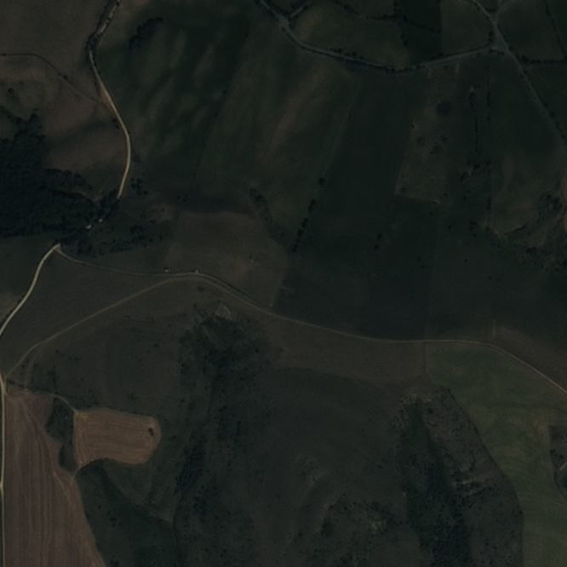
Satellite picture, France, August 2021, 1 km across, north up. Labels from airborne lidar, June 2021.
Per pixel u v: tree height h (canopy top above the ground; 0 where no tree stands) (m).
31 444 0
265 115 0
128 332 0
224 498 0
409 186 0
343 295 0
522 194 0
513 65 0
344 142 0
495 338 0
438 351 0
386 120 0
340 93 0
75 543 0
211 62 0
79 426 0
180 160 0
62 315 0
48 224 0
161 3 0
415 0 0
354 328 0
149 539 0
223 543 0
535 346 0
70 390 0
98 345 0
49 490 0
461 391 0
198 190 0
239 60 0
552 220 0
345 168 0
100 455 0
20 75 0
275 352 0
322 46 0
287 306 0
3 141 11
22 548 0
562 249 0
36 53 0
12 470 0
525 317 0
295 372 0
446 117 0
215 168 0
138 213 0
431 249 0
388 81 0
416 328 0
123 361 0
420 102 0
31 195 21
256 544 0
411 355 0
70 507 0
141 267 0
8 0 0
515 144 0
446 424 0
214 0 0
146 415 0
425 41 0
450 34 0
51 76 0
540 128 0
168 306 0
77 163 0
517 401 0
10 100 0
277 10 20
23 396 0
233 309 0
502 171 0
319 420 0
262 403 0
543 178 0
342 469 0
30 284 0
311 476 0
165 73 0
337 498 0
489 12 6
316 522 0
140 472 0
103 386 0
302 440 0
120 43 0
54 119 0
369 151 0
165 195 0
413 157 0
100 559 0
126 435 0
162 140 0
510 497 0
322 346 0
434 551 9
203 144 0
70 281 0
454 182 0
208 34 0
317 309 0
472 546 0
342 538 0
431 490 7
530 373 0
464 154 0
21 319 0
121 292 0
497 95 0
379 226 0
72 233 9
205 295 0
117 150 0
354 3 0
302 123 0
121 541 0
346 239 0
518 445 0
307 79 0
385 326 0
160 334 0
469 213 0
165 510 0
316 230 0
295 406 0
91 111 0
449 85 0
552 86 0
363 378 0
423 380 0
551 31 0
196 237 0
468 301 0
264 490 0
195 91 0
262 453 0
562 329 0
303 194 0
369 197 0
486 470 0
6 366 0
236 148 0
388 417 0
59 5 0
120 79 0
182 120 0
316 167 0
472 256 0
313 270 0
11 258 0
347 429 0
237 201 0
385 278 0
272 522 0
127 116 0
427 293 0
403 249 0
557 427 0
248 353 0
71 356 0
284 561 0
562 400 0
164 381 0
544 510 0
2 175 23
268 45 0
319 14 0
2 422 0
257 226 0
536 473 0
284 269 0
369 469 0
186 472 11
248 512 0
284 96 0
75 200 19
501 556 0
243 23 0
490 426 0
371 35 0
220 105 0
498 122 0
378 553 0
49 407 0
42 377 0
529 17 0
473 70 0
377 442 0
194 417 0
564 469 0
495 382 0
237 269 0
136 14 0
